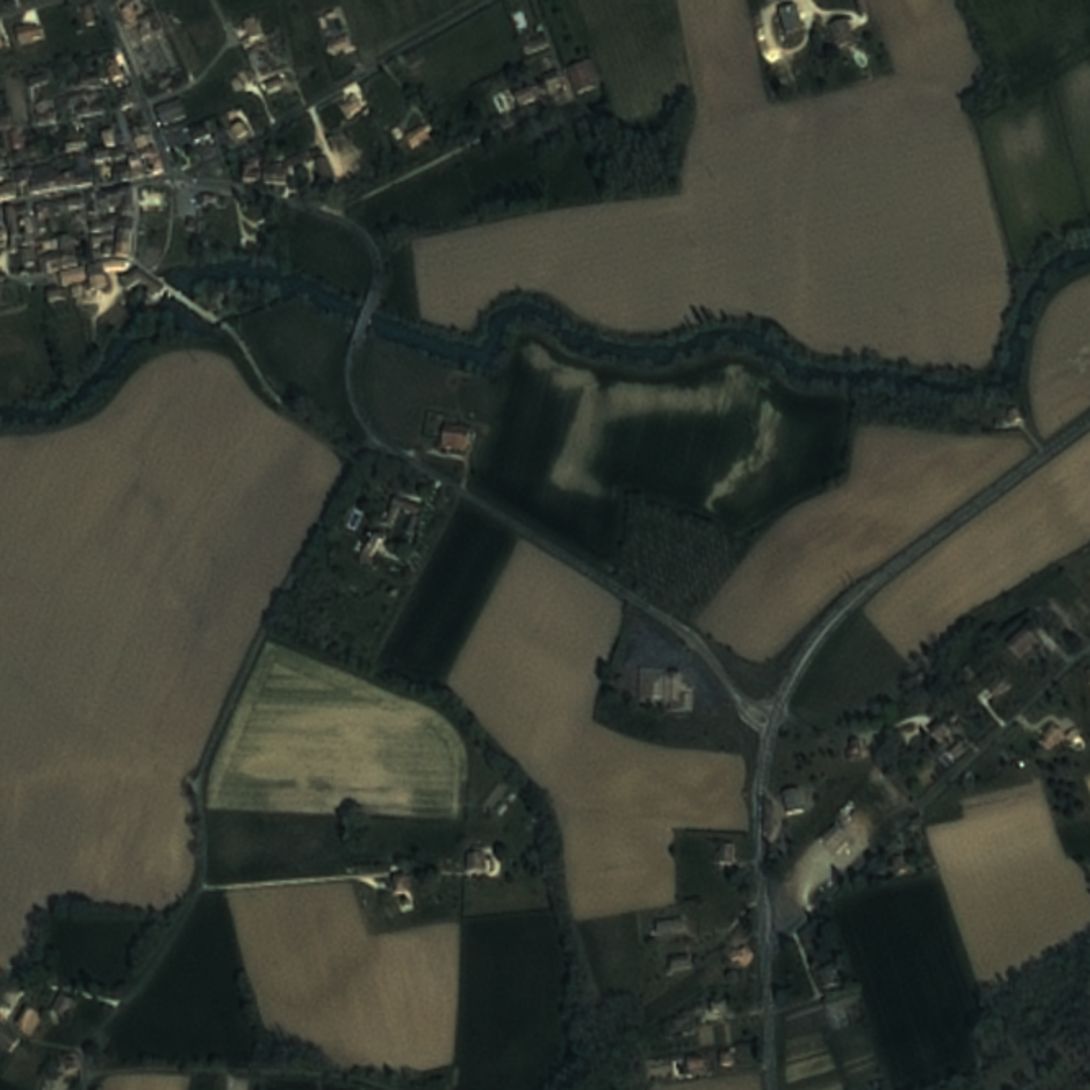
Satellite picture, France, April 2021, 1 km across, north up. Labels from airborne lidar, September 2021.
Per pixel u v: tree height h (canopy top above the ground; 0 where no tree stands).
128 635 0
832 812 0
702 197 0
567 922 10
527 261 0
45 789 0
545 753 0
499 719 0
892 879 10
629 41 0
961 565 0
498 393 0
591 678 0
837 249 0
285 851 0
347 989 0
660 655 0
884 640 0
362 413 0
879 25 0
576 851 0
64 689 0
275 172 0
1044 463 0
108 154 0
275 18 0
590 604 0
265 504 0
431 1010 0
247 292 14
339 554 15
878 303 0
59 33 0
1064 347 0
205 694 0
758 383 0
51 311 6
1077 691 0
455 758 0
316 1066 23
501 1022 0
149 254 0
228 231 0
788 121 0
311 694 0
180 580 0
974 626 12
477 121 11
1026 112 0
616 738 0
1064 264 11
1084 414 0
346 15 0
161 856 0
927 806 0
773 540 0
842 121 0
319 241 0
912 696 12
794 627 0
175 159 11
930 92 0
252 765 0
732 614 0
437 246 0
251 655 0
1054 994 10
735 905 0
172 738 0
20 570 0
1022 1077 0
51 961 11
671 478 0
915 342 0
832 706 0
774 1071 0
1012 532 0
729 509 0
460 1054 0
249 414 0
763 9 0
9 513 0
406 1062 0
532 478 0
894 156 0
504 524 0
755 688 0
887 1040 0
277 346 0
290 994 0
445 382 0
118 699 0
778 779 0
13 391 0
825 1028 0
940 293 0
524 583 0
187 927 0
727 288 0
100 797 0
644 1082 13
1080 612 0
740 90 0
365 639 0
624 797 0
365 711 0
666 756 0
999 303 0
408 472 13
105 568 0
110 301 0
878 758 16
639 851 0
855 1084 0
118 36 0
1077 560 0
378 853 0
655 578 22
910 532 0
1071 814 8
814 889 0
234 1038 0
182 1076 11
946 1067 0
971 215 0
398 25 0
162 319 14
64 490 0
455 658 0
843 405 0
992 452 0
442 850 0
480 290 0
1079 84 0
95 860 0
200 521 0
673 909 0
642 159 28
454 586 0
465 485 0
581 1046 20
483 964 0
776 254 0
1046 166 0
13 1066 0
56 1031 0
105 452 0
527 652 0
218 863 0
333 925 0
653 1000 0
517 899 0
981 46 14
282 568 0
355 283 0
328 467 0
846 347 0
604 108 12
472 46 0
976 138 0
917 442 0
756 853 0
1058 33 0
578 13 0
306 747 0
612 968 0
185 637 0
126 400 0
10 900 0
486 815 8
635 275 0
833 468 0
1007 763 8
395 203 0
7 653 0
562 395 0
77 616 0
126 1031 0
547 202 23
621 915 0
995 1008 14
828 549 0
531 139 22
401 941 0
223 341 0
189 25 0
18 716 0
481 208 17
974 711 7
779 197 0
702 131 0
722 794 0
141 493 0
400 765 0
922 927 0
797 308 0
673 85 0
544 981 0
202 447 0
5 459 0
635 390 0
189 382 0
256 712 0
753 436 0
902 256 0
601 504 0
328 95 0
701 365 0
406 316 9
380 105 0
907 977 0
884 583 0
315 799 0
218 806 0
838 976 11
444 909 0
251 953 0
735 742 0
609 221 0
